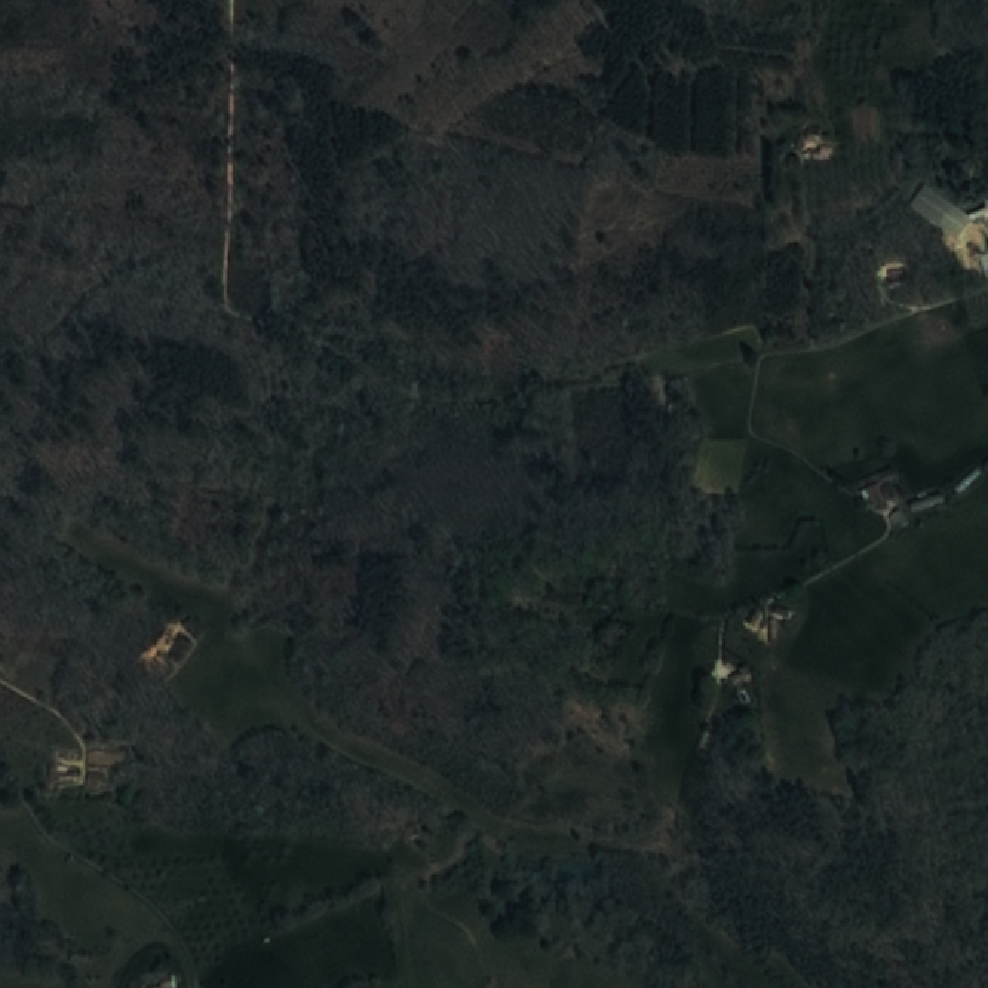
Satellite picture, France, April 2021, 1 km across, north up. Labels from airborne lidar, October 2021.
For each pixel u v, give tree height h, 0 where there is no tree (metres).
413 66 0
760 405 0
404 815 15
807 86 19
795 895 17
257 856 8
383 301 19
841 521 0
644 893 16
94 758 0
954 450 0
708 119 17
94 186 9
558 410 28
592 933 18
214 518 8
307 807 25
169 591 0
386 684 9
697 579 13
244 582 18
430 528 21
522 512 19
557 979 0
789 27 10
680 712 0
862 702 0
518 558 16
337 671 16
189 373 23
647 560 23
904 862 15
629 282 7
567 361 25
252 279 8
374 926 0
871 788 26
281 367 17
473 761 7
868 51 15
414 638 15
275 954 0
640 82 16
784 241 23
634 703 23
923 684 12
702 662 0
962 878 20
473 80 20
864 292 16
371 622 26
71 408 27
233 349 21
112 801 11
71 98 16
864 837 16
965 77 24
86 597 20
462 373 17
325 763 22
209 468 14
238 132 21
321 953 0
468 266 18
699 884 22
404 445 19
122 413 16
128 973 0
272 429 17
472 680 12
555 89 7
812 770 0
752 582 0
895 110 16
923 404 0
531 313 18
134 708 18
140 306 16
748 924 0
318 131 20
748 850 28
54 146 7
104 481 20
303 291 14
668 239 7
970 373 0
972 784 24
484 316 27
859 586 0
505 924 13
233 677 0
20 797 17
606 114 16
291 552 7
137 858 0
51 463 16
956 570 0
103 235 16
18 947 19
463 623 26
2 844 0
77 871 0
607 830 12
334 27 8
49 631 17
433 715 13
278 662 0
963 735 24
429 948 0
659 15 24
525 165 16
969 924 19
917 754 20
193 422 27
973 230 0
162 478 15
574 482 23
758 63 16
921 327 0
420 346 15
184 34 9
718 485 0
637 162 17
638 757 23
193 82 26
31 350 12
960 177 26
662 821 0
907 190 21
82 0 0
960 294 22
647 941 17
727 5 22
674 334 20
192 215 9
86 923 0
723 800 22
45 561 19
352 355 24
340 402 27
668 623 7
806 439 0
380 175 9
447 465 17
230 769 18
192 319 20
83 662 19
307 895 0
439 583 16
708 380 0
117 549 0
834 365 0
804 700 0
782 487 0
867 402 0
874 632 0
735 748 24
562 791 0
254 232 27
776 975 7
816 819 26
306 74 22
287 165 7
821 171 22
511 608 20
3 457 25
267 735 15
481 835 11
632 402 18
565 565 24
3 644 16
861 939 19
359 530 17
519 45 19
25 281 15
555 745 19
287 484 11
